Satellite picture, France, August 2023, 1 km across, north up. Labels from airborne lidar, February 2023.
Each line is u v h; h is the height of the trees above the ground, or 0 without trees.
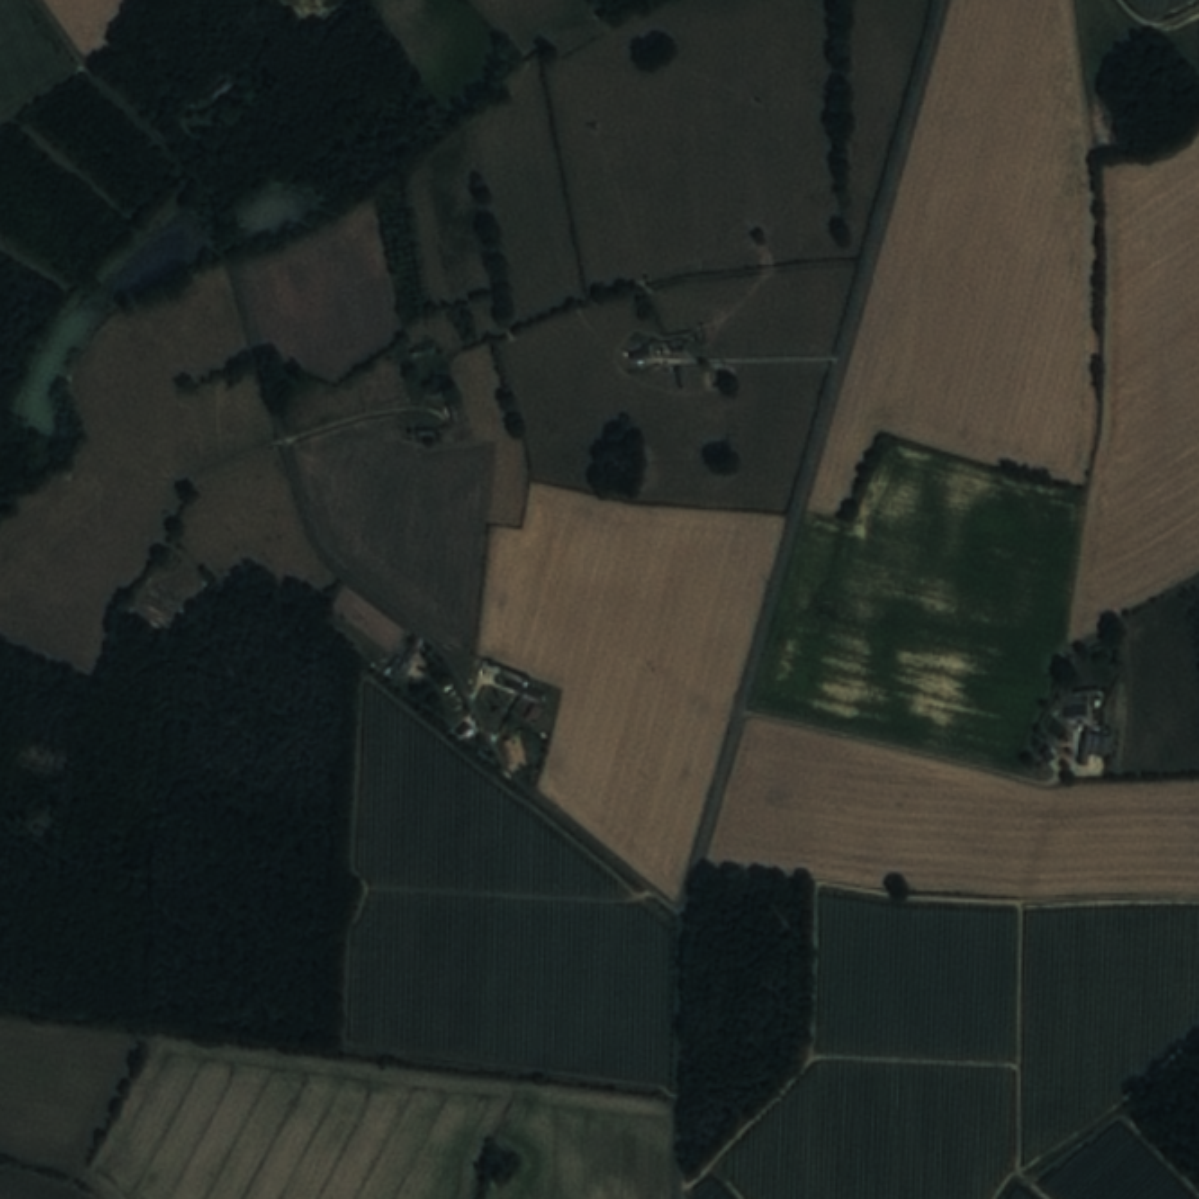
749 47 0
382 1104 0
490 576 0
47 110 7
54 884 17
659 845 0
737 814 0
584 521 0
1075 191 0
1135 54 17
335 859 19
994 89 0
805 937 14
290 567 0
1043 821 0
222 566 0
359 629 0
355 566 0
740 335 0
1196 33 0
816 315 0
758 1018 21
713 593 0
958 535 0
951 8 0
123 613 8
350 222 0
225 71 10
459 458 0
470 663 0
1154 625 0
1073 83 0
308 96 18
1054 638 0
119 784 17
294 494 0
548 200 0
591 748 0
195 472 0
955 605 0
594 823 0
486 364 0
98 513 0
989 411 0
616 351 0
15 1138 0
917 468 0
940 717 0
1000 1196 0
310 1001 17
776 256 0
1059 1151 0
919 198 0
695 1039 17
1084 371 0
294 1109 0
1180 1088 23
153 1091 0
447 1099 0
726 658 0
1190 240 0
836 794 0
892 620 0
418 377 14
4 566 0
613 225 0
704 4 0
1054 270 0
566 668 0
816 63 0
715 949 18
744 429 0
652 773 0
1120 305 0
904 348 0
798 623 0
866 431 0
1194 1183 11
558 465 0
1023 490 0
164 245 0
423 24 0
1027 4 0
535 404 0
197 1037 13
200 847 21
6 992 22
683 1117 12
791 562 0
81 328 0
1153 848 0
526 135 0
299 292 0
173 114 14
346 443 0
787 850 0
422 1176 0
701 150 0
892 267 0
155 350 0
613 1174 0
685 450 0
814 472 0
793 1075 14
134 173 7
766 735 0
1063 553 0
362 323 0
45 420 0
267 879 21
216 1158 0
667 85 0
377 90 18
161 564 13
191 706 15
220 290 0
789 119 0
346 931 13
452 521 0
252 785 15
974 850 0
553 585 0
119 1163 0
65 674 14
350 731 14
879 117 0
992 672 0
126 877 16
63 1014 18
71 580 0
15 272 12
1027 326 0
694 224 0
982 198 0
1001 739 0
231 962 21
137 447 0
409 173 14
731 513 0
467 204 0
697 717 0
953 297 0
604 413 0
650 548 0
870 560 0
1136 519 0
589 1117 0
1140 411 0
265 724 15
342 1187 0
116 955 16
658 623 0
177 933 20
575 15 0
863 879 0
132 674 14
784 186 0
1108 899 0
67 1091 0
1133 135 15
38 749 17
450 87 0
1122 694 0
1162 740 0
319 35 18
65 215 11
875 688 0
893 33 0
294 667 16
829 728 0
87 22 0
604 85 0
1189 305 0
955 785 0
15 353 22
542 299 0
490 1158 11
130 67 6
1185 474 0
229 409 0
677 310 0
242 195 16
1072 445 0
